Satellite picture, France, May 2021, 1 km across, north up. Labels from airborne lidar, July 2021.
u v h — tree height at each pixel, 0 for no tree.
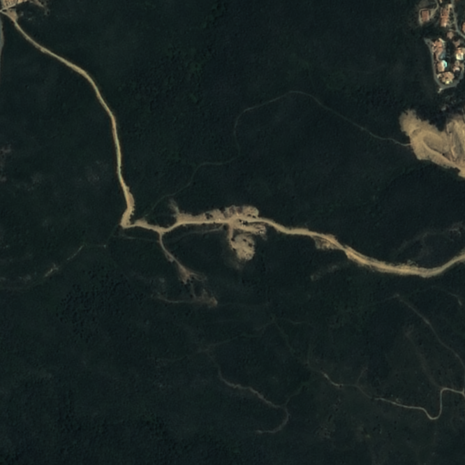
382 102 19
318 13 8
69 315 13
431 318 7
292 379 6
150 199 6
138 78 8
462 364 0
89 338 9
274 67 6
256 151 6
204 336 8
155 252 6
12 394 6
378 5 5
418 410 0
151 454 7
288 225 6
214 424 6
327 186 5
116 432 11
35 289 7
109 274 7
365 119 6
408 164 6
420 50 0
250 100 6
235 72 6
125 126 6
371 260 0
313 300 6
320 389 0
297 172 6
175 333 7
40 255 7
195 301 0
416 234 7
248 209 0
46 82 7
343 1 6
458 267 8
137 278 6
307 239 6
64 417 19
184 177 7
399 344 0
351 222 7
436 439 0
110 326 6
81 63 6
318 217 7
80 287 13
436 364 0
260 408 6
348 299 5
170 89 8
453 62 8
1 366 6
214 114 9
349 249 0
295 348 5
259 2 6
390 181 9
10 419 13
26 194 6
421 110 22
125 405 8
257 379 6
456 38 8
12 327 6
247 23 6
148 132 6
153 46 6
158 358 7
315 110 6
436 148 0
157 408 5
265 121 6
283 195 7
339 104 6
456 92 10
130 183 7
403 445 0
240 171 8
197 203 6
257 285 10
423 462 0
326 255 6
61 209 8
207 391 6
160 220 6
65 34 5
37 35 8
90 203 5
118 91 6
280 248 6
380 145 9
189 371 6
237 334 6
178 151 6
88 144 5
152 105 11
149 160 6
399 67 0
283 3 7
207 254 7
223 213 7
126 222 0
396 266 0
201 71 9
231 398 6
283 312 6
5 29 8
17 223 6
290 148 5
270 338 5
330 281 8
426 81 0
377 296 6
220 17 9
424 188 6
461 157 0
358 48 6
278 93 6
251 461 7
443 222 6
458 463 6
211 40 15
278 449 6
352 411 0
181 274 0
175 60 9
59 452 9
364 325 6
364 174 10
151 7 7
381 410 0
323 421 0
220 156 7
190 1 5
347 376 0
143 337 7
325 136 6
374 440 0
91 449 8
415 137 0
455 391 0
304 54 6
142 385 8
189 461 6
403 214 6
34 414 8
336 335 6
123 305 5
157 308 8
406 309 5
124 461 11
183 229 6
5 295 5
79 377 7
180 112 6
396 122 6
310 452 6
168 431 9
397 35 8
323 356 9
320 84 6
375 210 6
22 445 10
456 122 0
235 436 5
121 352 5
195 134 11
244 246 0
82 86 5
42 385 8
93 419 14
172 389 7
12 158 7
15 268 6
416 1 8
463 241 6
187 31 9
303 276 7
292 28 7
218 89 7
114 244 7
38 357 5
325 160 6
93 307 13
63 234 6
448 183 7
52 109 5
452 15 6
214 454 10
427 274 0
